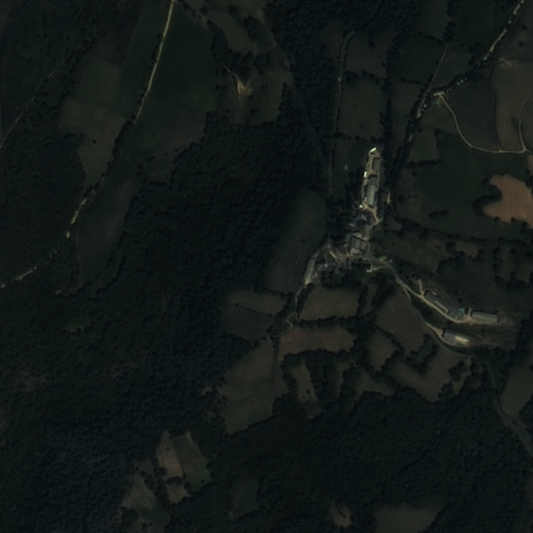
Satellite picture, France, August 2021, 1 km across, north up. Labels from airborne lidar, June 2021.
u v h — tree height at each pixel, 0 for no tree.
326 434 25
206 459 10
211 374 7
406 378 0
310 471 21
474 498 24
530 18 0
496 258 13
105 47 0
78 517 17
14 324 24
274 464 21
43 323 12
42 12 0
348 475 21
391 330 0
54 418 24
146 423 8
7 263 14
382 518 0
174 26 0
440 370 0
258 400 0
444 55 0
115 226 0
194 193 17
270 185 17
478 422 9
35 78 0
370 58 0
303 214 0
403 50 10
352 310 0
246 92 0
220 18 0
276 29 17
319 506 21
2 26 0
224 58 18
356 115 0
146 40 0
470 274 0
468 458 13
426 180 0
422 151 0
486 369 7
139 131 0
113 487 8
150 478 6
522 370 0
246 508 0
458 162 0
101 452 10
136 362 14
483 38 0
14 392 9
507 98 0
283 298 11
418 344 0
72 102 0
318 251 0
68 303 18
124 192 0
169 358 9
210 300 15
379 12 22
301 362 17
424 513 0
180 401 10
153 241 25
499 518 16
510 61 0
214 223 10
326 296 0
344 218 6
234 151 19
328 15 17
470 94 0
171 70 0
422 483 22
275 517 22
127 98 0
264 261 13
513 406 0
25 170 11
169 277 22
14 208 13
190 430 8
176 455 0
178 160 14
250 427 11
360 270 8
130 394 22
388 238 0
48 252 13
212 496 24
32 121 9
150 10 0
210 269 24
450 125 0
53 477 10
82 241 0
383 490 22
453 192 0
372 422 23
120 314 20
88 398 22
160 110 0
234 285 14
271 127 19
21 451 19
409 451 17
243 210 26
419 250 0
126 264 20
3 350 19
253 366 0
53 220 15
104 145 0
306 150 17
